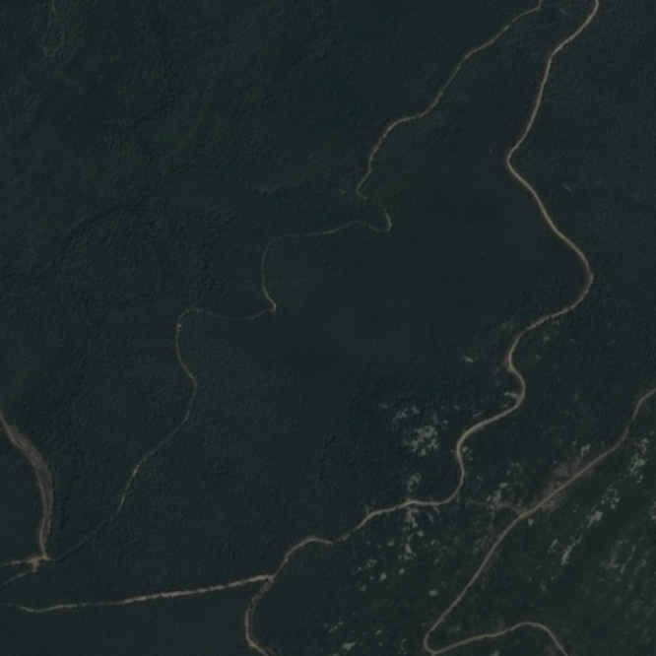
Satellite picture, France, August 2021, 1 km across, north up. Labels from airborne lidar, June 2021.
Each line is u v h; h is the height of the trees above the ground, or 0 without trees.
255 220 6
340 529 6
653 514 0
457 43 6
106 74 7
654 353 7
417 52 6
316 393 7
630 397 5
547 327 6
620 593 0
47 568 7
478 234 6
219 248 7
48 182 6
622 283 6
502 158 6
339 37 6
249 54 6
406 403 7
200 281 7
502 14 6
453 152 8
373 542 6
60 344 6
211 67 6
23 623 6
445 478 6
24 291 7
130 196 7
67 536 10
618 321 6
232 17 6
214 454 6
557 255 6
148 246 7
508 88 5
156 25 10
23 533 6
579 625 0
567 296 9
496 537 0
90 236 10
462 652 0
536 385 5
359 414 9
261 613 6
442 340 7
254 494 6
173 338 5
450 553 0
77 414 9
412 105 7
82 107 6
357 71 6
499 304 7
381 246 8
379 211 9
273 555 6
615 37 6
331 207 7
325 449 8
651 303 7
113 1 6
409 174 6
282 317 6
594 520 0
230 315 9
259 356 6
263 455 5
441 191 9
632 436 6
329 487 8
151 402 8
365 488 6
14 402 6
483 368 5
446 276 5
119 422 6
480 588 7
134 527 6
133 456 6
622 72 6
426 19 6
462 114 6
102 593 7
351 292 6
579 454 0
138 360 7
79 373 9
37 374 7
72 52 7
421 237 10
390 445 10
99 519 9
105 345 7
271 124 6
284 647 8
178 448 6
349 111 9
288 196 9
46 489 0
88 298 8
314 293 6
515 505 0
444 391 8
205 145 7
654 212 6
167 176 9
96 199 6
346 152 7
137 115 9
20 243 5
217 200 5
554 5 5
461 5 5
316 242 6
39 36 5
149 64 7
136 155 9
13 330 7
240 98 11
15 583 6
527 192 6
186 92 9
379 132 6
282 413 6
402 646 0
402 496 6
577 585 0
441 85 7
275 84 9
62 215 6
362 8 9
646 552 0
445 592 0
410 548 0
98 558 6
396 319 5
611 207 6
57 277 7
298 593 6
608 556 0
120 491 7
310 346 7
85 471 9
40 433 8
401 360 6
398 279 6
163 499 5
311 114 10
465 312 5
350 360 7
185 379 7
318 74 7
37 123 6
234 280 6
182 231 9
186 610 5
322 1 10
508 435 5
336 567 5
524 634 7
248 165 7
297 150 5
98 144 7
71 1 8
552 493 0
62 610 6
